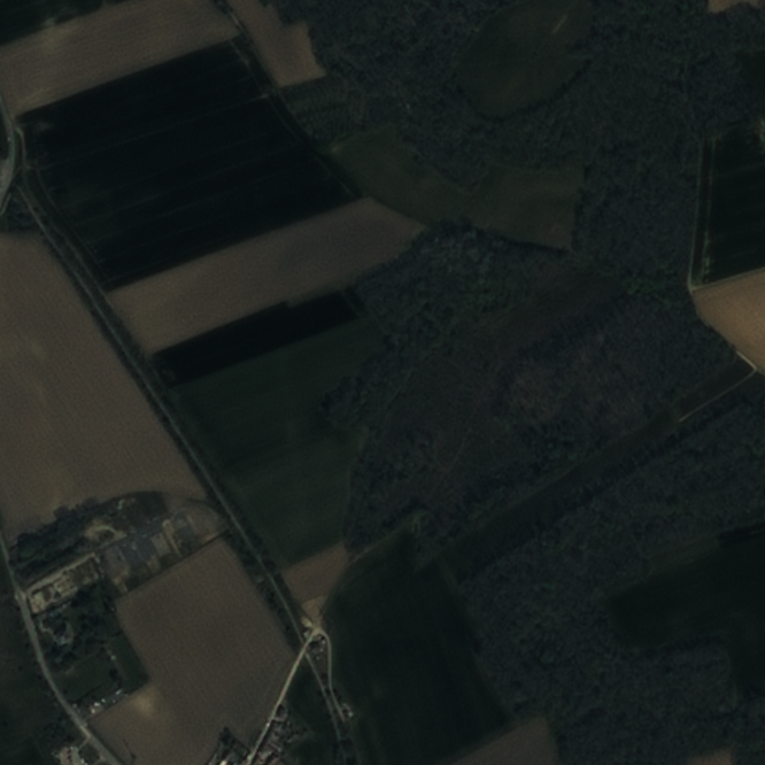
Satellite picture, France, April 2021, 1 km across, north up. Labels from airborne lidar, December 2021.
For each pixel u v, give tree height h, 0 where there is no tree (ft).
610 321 79
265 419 0
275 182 0
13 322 0
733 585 0
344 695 0
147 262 0
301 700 0
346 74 61
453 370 30
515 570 88
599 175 80
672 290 63
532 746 0
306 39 0
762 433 76
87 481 0
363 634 0
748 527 0
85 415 0
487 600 70
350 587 0
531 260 84
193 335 0
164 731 0
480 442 39
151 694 0
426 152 67
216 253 0
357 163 0
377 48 76
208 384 0
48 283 0
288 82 0
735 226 0
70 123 0
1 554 0
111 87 0
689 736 93
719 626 0
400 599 0
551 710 66
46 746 0
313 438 0
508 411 77
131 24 0
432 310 61
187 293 0
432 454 68
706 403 0
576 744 77
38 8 0
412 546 0
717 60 90
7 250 0
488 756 0
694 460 78
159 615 0
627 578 71
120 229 0
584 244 97
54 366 0
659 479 80
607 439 69
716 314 0
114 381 0
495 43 0
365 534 62
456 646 0
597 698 69
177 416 46
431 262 73
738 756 52
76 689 0
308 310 0
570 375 78
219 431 0
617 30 60
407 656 0
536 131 55
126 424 0
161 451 0
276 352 0
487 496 78
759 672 0
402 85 35
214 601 0
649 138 68
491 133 68
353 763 49
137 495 0
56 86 0
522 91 0
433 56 66
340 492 0
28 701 0
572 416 87
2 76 0
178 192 0
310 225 0
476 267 80
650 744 86
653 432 0
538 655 29
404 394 22
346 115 74
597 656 88
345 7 77
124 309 0
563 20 0
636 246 69
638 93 70
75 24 0
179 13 0
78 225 0
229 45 0
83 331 0
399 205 0
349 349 0
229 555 0
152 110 0
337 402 67
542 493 0
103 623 60
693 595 0
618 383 87
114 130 0
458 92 25
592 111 86
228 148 0
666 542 41
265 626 0
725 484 72
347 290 0
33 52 0
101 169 0
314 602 0
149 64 0
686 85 96
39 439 0
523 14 0
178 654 0
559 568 91
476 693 0
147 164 0
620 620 0
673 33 73
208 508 0
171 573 0
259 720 0
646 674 80
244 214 0
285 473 0
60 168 0
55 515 0
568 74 0
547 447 90
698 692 80
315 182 0
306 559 0
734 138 0
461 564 0
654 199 52
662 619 0
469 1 65
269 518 0
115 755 0
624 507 90
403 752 0
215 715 0
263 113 0
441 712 0
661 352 83
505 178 0
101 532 0
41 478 0
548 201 0
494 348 25
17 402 0
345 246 0
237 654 0
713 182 0
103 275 0
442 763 0
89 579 0
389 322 51
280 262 0
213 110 0
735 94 74
